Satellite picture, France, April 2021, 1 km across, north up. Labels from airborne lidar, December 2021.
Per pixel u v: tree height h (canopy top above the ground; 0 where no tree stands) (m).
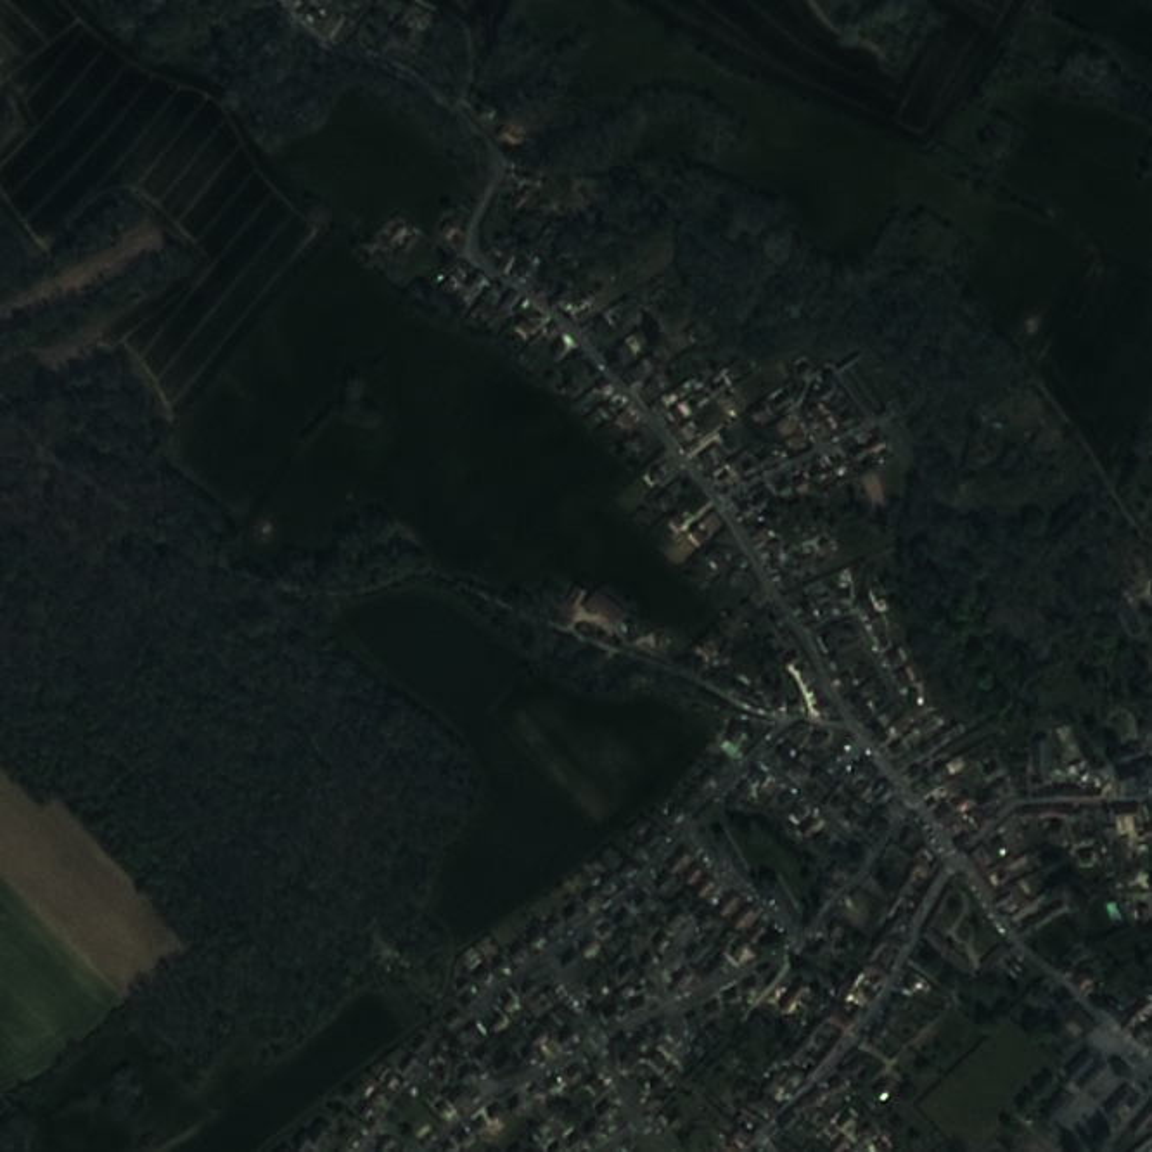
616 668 0
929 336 22
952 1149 0
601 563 0
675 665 20
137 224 16
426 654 0
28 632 22
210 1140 0
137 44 17
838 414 6
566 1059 0
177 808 17
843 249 0
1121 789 0
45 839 0
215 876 19
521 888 0
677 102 23
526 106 28
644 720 0
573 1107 9
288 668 22
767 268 30
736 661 11
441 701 0
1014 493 23
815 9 0
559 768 0
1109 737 12
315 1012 13
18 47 0
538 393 0
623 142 21
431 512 0
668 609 0
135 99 0
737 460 9
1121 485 9
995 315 0
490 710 0
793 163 0
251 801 18
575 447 0
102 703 21
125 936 0
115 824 16
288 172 0
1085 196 0
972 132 0
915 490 19
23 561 22
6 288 17
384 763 22
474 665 0
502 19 17
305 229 0
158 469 16
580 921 0
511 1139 0
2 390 0
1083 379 0
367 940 13
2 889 0
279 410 0
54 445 23
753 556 0
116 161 0
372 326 0
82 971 0
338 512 0
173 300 0
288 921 19
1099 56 17
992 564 25
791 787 0
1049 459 9
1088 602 27
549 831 0
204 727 20
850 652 0
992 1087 0
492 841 0
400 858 25
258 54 25
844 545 0
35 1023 0
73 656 18
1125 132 0
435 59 17
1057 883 14
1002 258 0
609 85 0
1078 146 0
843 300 27
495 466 0
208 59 11
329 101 23
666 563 0
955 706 17
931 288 17
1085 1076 0
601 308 0
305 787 17
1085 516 19
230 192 0
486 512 0
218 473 0
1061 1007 14
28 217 0
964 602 27
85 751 23
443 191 0
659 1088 6
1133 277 0
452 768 19
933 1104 0
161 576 24
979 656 22
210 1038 18
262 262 0
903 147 0
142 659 19
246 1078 0
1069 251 0
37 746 21
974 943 0
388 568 14
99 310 16
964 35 0
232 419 0
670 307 7
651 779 0
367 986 14
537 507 0
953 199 0
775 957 0
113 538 27
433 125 13
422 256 0
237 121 0
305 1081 0
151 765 18
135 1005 14
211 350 0
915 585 26
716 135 20
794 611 0
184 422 0
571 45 10
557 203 0
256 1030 18
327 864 24
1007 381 12
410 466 0
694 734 0
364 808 20
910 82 0
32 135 0
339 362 0
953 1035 0
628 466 7
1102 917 0
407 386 0
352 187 0
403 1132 8
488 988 0
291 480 0
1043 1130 0
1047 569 25
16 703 25
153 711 20
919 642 18
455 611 0
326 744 21
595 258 10
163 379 0
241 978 22
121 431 27
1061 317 0
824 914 0
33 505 30
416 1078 0
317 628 22
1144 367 0
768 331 25
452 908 0
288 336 0
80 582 26
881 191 0
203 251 0
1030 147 0
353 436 0
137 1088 13
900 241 11
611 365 13
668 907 6
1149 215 0
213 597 20
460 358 0
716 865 0
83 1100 13
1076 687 0
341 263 0
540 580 0
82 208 0
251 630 18
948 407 15
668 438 0
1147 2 0
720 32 0
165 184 0
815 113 0
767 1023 8
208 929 14
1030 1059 0
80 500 22
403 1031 0
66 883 0
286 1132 0
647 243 21
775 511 14
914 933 0
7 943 0
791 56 0
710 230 23
